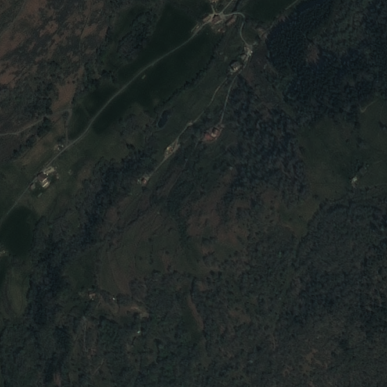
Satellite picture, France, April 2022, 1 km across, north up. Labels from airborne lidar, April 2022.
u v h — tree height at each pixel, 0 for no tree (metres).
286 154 11
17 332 16
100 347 14
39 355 6
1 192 0
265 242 7
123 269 0
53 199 0
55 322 21
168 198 0
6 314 0
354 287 11
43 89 7
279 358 17
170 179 0
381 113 0
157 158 0
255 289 8
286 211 0
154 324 13
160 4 19
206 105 0
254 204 0
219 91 0
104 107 0
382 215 15
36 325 23
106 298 14
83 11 0
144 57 0
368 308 20
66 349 20
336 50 7
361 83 22
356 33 9
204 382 12
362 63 31
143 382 22
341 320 15
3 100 19
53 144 0
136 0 26
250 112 19
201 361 18
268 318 23
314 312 14
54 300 19
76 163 0
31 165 0
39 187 0
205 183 0
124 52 27
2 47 0
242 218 16
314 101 31
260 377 6
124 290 0
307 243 16
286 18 0
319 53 0
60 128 0
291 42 29
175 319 15
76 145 0
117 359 9
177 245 0
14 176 0
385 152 0
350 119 21
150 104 0
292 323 7
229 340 17
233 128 0
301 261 13
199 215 0
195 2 0
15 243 0
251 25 18
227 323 18
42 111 14
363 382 21
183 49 0
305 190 28
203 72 11
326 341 6
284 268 9
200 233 0
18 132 0
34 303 27
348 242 12
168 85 0
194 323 0
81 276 0
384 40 14
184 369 18
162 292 16
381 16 24
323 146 0
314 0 0
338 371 13
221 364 14
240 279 6
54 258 21
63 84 10
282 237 7
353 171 6
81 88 14
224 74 0
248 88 19
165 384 18
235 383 12
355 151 0
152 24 22
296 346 6
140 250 0
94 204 12
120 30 0
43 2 0
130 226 0
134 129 13
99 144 0
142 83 0
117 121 0
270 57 0
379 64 20
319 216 17
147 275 0
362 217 8
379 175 0
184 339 16
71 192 0
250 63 0
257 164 6
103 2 0
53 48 0
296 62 33
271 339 12
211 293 8
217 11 0
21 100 21
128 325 0
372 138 0
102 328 13
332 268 23
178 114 0
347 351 13
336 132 0
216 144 0
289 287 0
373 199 7
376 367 16
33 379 24
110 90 0
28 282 0
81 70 0
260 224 16
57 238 22
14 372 15
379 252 20
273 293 12
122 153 0
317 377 20
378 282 11
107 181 22
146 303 16
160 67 0
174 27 0
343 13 12
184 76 0
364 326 17
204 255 0
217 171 13
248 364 8
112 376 20
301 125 15
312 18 32
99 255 9
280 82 14
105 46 13
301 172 31
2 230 0
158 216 0
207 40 0
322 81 33
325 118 23
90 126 0
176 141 0
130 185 10
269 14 0
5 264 0
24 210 0
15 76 0
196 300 19
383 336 19
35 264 10
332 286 7
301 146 27
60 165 0
